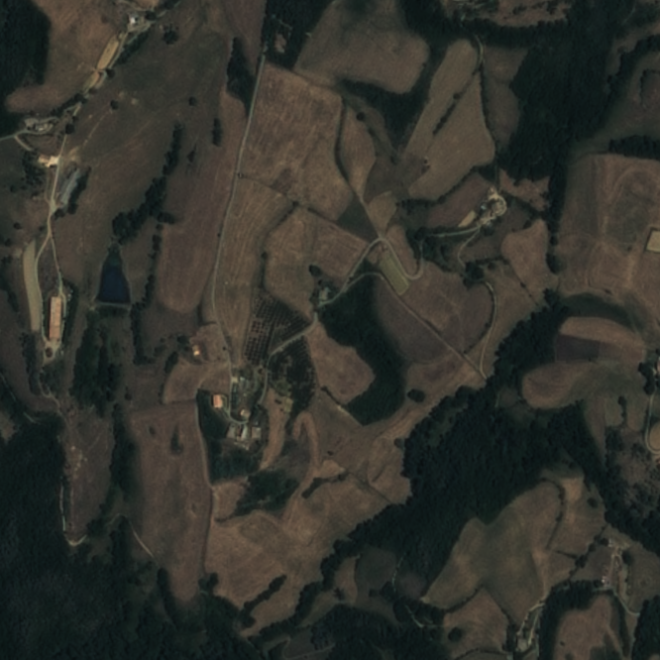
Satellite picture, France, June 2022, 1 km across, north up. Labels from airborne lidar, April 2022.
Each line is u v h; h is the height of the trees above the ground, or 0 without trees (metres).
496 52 0
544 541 0
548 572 0
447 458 19
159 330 0
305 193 0
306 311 0
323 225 0
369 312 9
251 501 8
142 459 0
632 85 0
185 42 0
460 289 0
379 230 0
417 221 0
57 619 9
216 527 0
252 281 0
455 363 0
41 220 0
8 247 7
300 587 0
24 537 15
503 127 0
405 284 0
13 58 15
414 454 37
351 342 11
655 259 0
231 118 0
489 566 0
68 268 0
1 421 0
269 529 0
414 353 0
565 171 25
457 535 7
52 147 0
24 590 14
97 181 0
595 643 0
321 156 0
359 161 0
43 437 13
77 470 0
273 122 0
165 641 9
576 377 0
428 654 9
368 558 0
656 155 15
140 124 0
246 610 6
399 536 6
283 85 0
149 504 0
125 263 0
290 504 0
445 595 0
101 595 11
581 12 9
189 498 0
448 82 0
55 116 12
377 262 0
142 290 0
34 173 9
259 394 8
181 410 0
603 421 0
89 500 0
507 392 0
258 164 0
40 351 0
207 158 0
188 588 0
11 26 12
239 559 0
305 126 0
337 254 0
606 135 0
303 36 13
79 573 12
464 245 0
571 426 20
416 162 0
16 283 0
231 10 0
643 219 0
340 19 0
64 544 9
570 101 20
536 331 16
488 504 13
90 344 10
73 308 9
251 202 0
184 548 0
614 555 0
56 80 0
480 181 0
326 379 0
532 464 12
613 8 8
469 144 0
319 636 9
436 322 0
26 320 0
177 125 17
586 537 0
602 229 0
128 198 0
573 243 0
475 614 0
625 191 0
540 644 6
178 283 0
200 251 0
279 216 0
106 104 0
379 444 0
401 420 0
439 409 13
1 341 0
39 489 6
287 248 0
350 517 0
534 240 0
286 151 0
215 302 0
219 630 8
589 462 14
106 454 0
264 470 0
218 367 0
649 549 13
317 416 0
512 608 0
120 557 14
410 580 0
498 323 0
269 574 0
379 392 8
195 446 0
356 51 0
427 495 18
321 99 0
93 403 6
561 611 8
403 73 0
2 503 16
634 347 0
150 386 0
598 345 0
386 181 0
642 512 22
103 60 0
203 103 0
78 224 0
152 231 0
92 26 0
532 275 0
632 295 0
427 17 12
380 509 0
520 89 11
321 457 0
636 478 0
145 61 0
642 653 8
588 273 0
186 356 0
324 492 0
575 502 0
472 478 11
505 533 0
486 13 0
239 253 0
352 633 9
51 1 0
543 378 0
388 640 10
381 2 0
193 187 0
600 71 8
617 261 0
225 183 0
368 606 0
